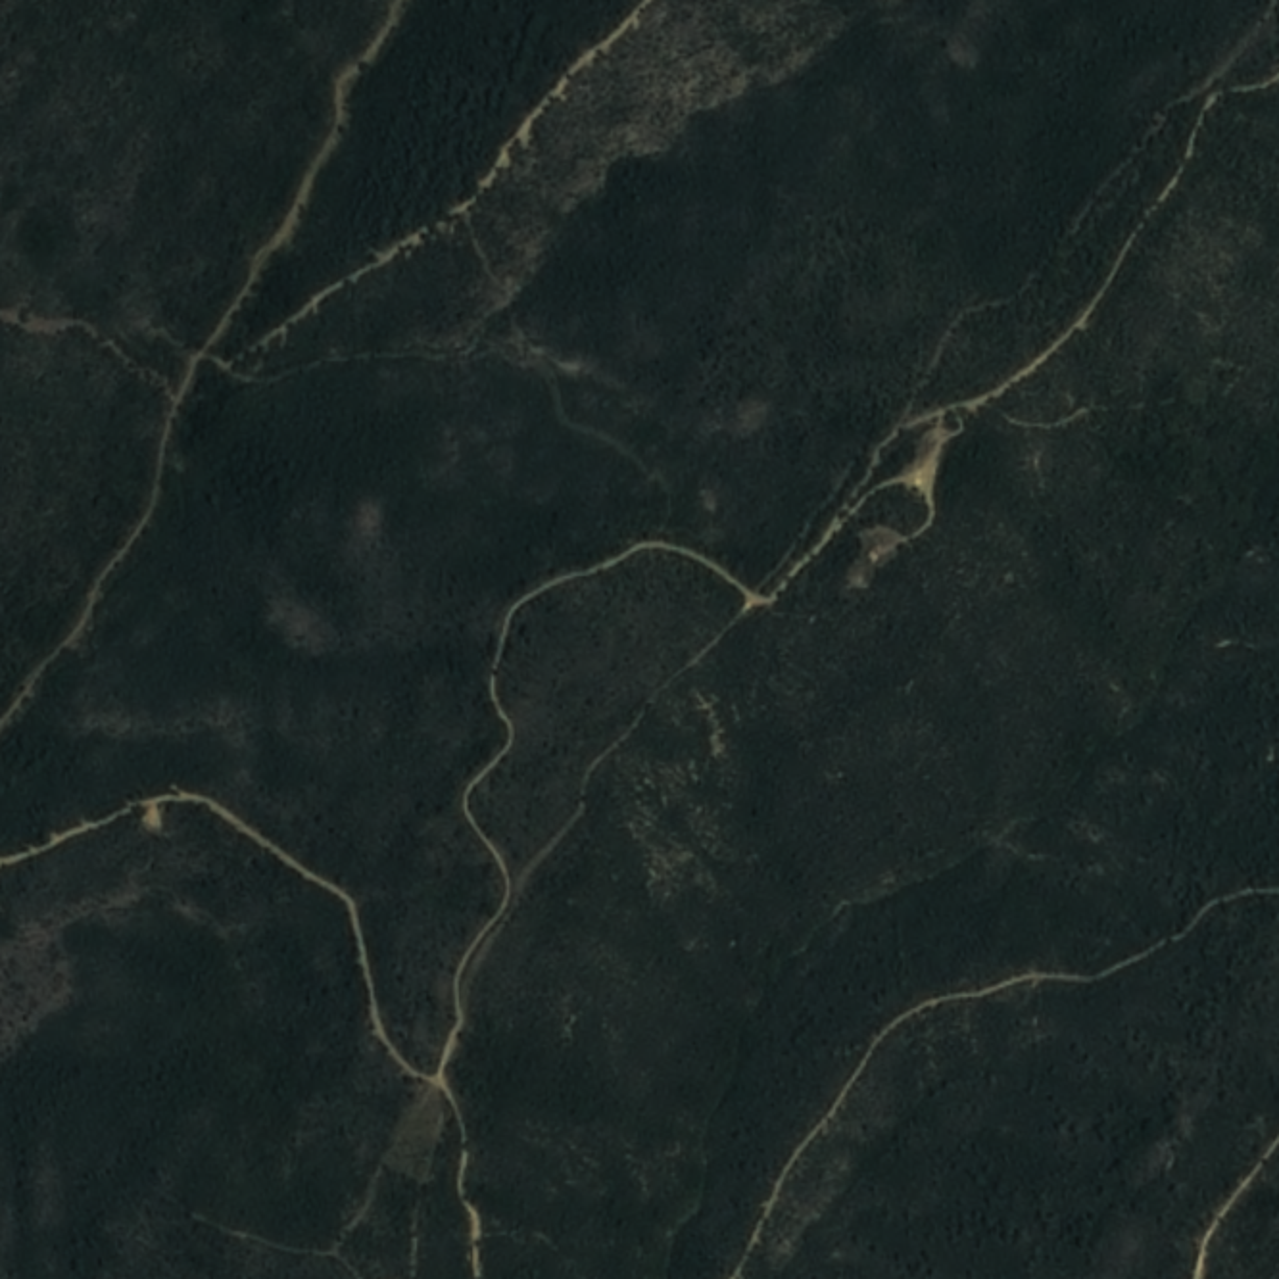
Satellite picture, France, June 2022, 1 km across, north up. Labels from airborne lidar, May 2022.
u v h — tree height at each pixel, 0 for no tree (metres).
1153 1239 0
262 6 9
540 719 0
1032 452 0
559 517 8
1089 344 8
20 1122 9
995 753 6
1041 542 7
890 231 6
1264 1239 6
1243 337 6
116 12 9
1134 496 8
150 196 7
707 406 8
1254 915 8
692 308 0
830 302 6
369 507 0
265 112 6
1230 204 6
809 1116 0
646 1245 9
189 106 9
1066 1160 7
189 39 6
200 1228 6
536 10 6
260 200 6
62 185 7
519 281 0
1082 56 7
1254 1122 8
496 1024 7
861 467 7
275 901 8
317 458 6
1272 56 8
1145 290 6
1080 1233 10
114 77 6
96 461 6
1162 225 8
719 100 0
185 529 5
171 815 6
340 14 6
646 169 7
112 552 6
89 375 8
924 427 0
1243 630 8
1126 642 8
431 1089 0
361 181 8
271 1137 8
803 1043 8
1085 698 8
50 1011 0
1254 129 6
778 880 9
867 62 6
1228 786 6
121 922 0
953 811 6
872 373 6
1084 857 6
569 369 0
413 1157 0
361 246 7
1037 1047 6
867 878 0
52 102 7
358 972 8
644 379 6
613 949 0
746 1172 8
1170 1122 6
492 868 7
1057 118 7
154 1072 7
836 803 6
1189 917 8
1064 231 7
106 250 7
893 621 6
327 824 10
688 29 0
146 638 0
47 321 0
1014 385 6
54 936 0
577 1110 8
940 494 6
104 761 0
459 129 8
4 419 8
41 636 7
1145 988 0
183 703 0
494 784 6
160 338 7
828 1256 0
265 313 7
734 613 6
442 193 9
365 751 0
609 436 0
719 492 0
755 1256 6
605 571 7
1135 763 7
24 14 6
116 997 0
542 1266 6
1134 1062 7
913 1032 6
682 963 7
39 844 8
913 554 7
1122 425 7
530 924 0
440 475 0
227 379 6
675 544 7
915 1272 7
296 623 0
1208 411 9
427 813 7
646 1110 9
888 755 0
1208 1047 8
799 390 7
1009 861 0
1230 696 6
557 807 0
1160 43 6
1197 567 6
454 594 6
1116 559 8
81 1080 7
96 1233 6
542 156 7
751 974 7
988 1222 9
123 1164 7
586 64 0
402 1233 7
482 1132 8
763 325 8
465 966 0
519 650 7
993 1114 0
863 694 6
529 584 10
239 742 0
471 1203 7
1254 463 11
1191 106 7
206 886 9
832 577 7
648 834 0
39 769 9
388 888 7
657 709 6
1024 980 0
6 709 6
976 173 7
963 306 5
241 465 7
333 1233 6
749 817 8
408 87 6
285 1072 8
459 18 6
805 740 6
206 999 6
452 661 6
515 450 0
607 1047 0
